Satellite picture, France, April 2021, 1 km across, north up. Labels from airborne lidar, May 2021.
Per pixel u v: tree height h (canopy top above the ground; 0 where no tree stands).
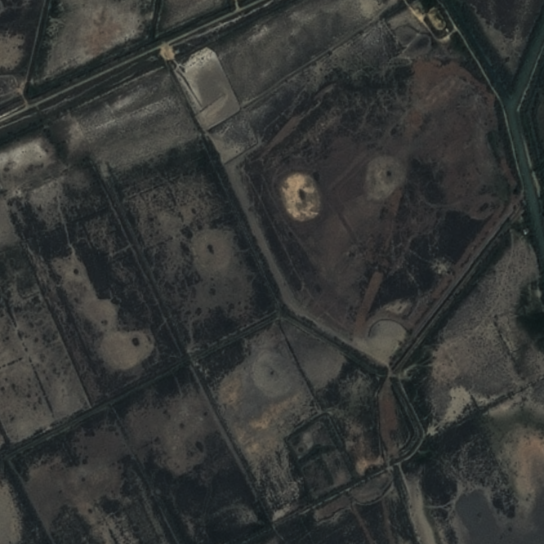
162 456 0
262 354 0
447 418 0
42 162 0
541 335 0
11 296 0
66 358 0
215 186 0
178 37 0
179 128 0
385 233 0
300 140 0
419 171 0
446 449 0
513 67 0
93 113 0
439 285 0
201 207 0
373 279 0
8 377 0
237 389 0
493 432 0
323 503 7
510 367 0
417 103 0
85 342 0
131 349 0
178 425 0
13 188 0
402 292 0
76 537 0
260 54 0
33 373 0
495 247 5
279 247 0
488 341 0
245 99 0
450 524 0
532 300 0
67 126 0
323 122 0
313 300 0
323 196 0
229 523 0
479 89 0
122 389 0
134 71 0
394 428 0
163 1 0
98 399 0
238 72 0
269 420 0
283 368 0
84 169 0
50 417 0
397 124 0
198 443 0
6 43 0
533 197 0
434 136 0
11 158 0
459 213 0
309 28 0
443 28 0
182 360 0
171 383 0
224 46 0
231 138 0
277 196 0
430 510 0
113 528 0
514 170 7
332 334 0
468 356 0
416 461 0
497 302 0
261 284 0
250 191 0
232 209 0
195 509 0
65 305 0
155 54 0
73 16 0
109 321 0
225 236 0
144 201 0
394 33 0
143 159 0
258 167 0
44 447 0
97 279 0
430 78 0
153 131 0
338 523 0
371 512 0
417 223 0
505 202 0
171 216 0
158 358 0
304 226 0
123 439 0
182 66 0
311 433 0
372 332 0
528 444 0
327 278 0
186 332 0
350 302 0
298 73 0
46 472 0
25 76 0
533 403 0
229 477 0
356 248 0
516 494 0
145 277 0
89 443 0
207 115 0
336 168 0
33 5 0
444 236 0
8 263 0
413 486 0
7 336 0
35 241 0
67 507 0
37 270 0
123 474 0
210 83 0
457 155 0
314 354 0
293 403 0
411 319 0
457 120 0
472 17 6
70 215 0
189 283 0
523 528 0
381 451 0
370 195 0
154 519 0
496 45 0
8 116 0
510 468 0
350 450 0
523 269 0
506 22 0
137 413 0
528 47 6
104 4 0
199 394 0
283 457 0
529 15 0
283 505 0
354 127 0
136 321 0
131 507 0
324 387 0
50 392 0
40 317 0
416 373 0
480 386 0
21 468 0
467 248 0
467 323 0
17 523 0
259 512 0
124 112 0
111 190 0
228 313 0
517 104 0
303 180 0
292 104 0
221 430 0
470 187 0
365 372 0
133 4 0
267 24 0
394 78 0
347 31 0
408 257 0
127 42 0
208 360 0
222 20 0
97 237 0
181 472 0
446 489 0
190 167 0
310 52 0
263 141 0
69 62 0
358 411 0
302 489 0
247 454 0
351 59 0
